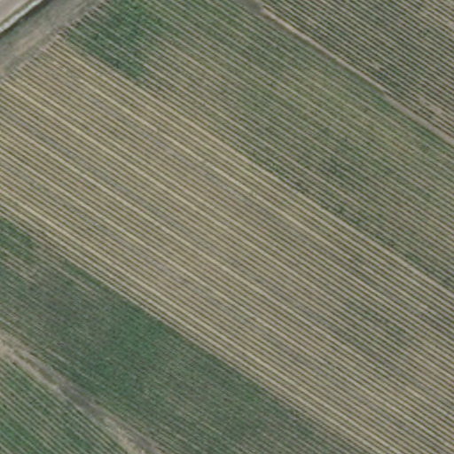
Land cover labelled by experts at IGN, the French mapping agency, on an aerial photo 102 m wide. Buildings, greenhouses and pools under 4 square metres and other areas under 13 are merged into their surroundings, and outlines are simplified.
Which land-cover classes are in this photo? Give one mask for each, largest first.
<instances>
[{"label":"vineyard","instance_id":"1","mask_svg":"<svg viewBox=\"0 0 454 454\"><path fill-rule=\"evenodd\" d=\"M0 454H454V0H51L39 16H35L34 20L28 21L25 27L18 30V35H11L0 44Z\"/></svg>","mask_w":454,"mask_h":454},{"label":"impervious surface","instance_id":"2","mask_svg":"<svg viewBox=\"0 0 454 454\"><path fill-rule=\"evenodd\" d=\"M37 5L35 0H0V32L11 27L14 21L20 20L30 9H34Z\"/></svg>","mask_w":454,"mask_h":454},{"label":"herbaceous vegetation","instance_id":"3","mask_svg":"<svg viewBox=\"0 0 454 454\"><path fill-rule=\"evenodd\" d=\"M37 5L34 9H30L20 20L14 21L11 27L0 32V44L11 35H18V30L25 27L28 21L34 20L35 16H39L51 0H35Z\"/></svg>","mask_w":454,"mask_h":454}]
</instances>
